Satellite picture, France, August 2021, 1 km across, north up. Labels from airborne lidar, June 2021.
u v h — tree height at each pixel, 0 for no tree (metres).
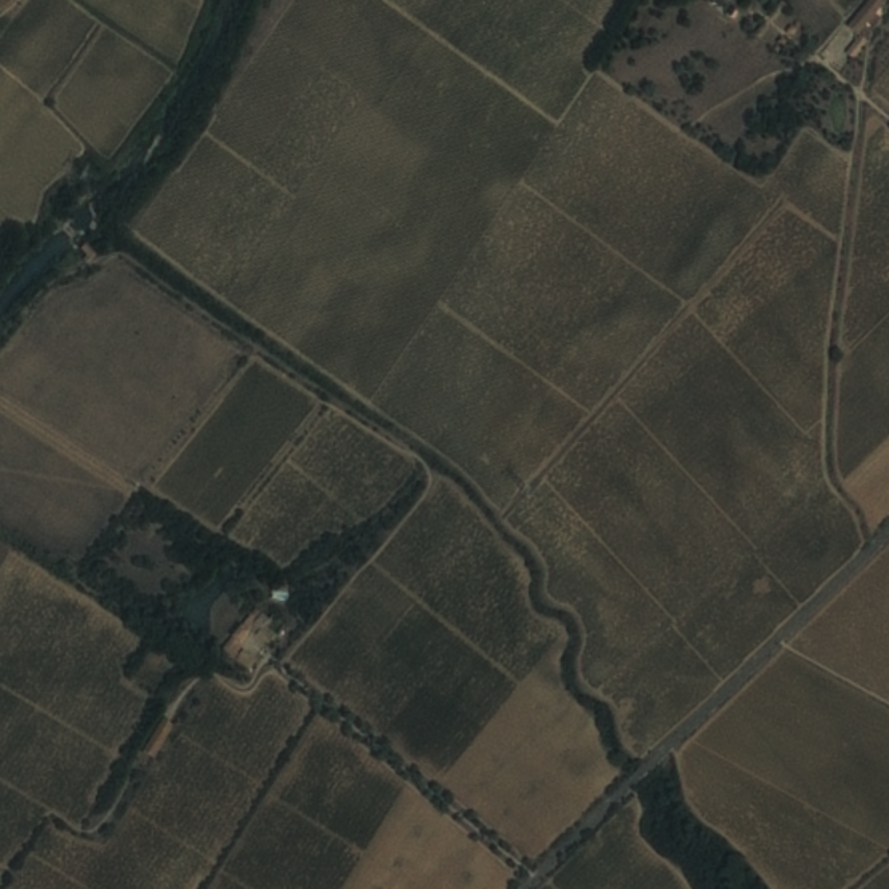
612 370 0
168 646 35
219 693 0
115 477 0
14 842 0
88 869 0
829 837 0
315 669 0
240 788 0
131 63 0
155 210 0
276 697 0
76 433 0
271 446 0
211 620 0
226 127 0
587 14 0
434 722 0
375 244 0
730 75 0
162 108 8
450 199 0
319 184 0
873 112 0
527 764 0
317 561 11
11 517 0
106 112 0
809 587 0
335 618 0
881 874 0
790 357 0
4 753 0
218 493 0
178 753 0
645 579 0
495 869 0
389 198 0
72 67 0
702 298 0
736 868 17
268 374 0
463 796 0
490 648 0
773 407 0
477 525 0
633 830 0
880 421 0
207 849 0
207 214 0
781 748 0
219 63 10
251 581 18
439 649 0
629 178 0
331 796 0
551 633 0
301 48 0
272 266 0
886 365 0
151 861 0
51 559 21
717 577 0
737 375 0
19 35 0
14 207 0
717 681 0
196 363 0
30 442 0
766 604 0
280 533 0
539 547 0
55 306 0
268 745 0
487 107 0
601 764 0
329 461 0
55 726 0
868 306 0
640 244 0
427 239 0
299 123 0
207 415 0
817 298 0
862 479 0
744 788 0
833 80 7
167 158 10
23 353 0
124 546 11
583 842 8
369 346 0
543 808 0
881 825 0
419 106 0
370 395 0
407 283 0
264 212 0
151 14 0
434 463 6
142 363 0
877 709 0
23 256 18
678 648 0
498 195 0
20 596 0
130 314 0
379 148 0
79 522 0
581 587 0
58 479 0
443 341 0
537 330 0
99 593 11
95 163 7
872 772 0
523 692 0
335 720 17
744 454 0
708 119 0
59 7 0
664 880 0
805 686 0
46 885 0
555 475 0
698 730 0
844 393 0
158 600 6
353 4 0
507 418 0
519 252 0
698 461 0
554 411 0
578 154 0
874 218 0
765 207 0
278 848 0
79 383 0
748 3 11
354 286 0
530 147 0
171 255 0
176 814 0
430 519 0
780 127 14
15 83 0
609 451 0
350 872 0
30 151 0
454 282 0
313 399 0
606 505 0
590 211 0
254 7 9
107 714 0
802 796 0
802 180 0
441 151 0
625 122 0
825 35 0
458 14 0
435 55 0
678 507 0
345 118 0
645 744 0
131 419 0
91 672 0
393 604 0
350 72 0
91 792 0
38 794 0
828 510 0
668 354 0
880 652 0
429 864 0
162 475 0
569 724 0
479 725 0
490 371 0
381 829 0
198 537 11
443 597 0
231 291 0
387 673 0
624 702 0
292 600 8
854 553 0
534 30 0
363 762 0
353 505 0
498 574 0
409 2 0
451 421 0
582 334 0
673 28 0
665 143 0
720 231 0
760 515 0
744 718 0
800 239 0
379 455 0
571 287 0
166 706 10
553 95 0
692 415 0
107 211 9
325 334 0
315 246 0
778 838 0
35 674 0
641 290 0
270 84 0
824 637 0
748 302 0
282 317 0
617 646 0
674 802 16
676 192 0
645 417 0
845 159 0
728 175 0
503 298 0
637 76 0
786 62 6
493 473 0
